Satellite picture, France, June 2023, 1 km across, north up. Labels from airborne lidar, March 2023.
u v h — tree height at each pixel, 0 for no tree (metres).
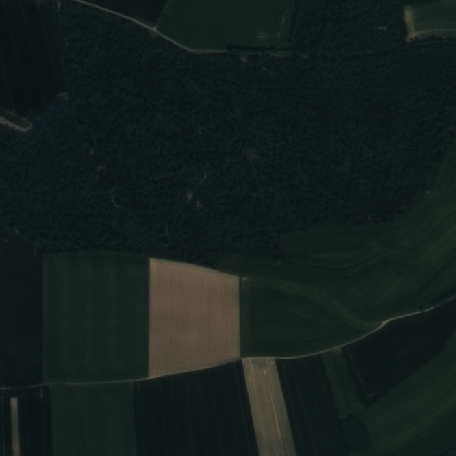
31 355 0
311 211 13
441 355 0
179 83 8
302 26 20
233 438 0
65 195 18
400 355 0
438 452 0
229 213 23
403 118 11
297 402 0
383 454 0
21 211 16
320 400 0
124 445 0
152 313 0
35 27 0
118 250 6
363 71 14
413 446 0
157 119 29
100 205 8
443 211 0
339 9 10
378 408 0
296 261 0
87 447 0
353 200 15
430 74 18
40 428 0
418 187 13
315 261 0
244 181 25
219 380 0
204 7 0
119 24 12
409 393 0
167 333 0
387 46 14
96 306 0
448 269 0
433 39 11
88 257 0
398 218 0
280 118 9
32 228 7
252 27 0
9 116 0
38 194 14
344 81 11
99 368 0
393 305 0
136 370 0
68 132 21
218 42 0
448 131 15
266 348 0
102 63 14
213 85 9
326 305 0
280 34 0
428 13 0
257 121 23
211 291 0
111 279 0
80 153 31
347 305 0
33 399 0
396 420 0
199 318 0
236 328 0
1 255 0
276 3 0
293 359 0
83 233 12
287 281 0
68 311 0
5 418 0
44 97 0
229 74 9
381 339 0
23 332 0
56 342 0
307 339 0
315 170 26
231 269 0
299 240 0
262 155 17
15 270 0
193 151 13
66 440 0
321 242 0
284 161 6
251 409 0
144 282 0
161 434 0
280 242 0
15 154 22
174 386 0
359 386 0
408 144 14
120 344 0
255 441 0
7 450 0
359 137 15
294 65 9
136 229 19
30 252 0
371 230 0
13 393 0
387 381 0
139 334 0
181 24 0
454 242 0
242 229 16
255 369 0
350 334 0
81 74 9
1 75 0
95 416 0
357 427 13
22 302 0
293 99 6
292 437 0
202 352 0
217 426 0
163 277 0
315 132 8
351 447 11
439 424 0
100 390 0
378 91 14
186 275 0
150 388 0
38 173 23
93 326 0
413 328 0
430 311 0
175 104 21
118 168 9
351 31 23
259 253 6
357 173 25
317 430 0
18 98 0
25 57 0
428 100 19
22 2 0
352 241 0
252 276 0
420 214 0
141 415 0
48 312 0
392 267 0
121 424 0
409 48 16
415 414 0
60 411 0
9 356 0
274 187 16
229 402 0
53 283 0
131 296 0
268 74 19
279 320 0
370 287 0
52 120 25
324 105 11
